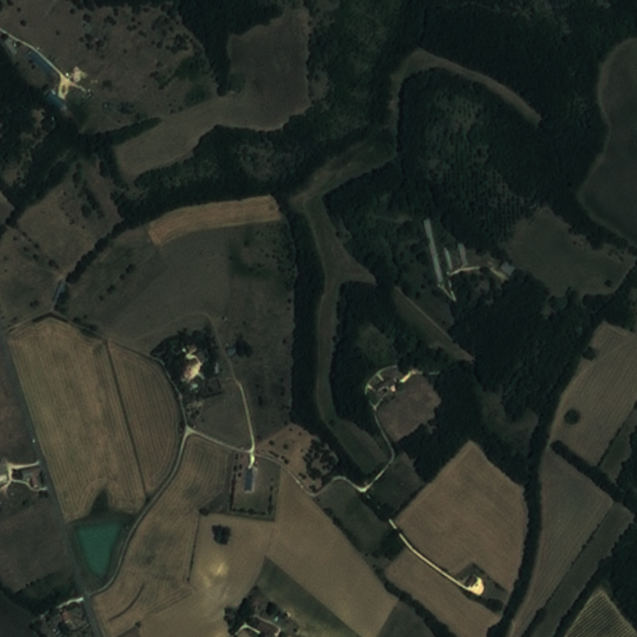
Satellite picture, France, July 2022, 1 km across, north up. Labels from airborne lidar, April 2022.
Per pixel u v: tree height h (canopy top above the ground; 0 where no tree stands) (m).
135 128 11
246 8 11
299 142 11
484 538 0
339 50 9
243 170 10
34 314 0
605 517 0
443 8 12
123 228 12
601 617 0
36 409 0
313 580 0
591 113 9
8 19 0
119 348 0
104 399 0
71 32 0
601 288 0
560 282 0
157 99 0
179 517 0
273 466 0
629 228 0
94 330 6
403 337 16
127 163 0
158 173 9
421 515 0
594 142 16
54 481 0
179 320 0
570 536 0
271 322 0
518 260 0
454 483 0
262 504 0
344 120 0
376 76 11
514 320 16
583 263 0
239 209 0
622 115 0
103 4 11
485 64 14
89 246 0
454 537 0
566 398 0
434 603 0
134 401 0
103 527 0
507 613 9
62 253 0
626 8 15
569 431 0
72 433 0
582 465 16
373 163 0
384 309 17
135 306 0
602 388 0
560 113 10
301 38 0
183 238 0
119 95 0
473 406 17
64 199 0
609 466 0
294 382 9
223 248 0
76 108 0
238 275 0
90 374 0
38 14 0
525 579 9
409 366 16
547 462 0
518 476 18
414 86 15
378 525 0
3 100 12
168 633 0
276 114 0
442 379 14
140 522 0
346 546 0
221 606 0
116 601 0
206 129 0
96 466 0
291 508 0
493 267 0
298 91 0
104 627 0
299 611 0
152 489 0
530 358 9
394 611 0
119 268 0
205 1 13
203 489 0
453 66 0
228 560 0
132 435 0
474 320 16
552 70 13
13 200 10
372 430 16
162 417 0
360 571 0
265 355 0
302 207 0
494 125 10
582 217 14
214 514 0
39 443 0
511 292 14
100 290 0
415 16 15
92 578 0
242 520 0
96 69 0
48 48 0
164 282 0
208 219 0
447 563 0
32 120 9
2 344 0
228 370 0
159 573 0
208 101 0
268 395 0
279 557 0
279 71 0
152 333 0
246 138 8
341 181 0
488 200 8
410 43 17
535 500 16
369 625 0
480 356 17
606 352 0
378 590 0
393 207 12
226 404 0
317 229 0
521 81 18
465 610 0
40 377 0
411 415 0
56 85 0
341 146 17
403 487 0
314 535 0
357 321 18
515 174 12
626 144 0
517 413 16
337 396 15
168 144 0
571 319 12
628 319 12
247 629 0
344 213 18
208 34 14
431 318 0
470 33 10
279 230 0
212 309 0
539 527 12
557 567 0
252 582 0
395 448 15
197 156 9
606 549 0
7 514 0
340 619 0
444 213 8
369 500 15
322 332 0
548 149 18
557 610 0
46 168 11
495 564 0
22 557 0
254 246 0
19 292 0
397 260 11
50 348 0
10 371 0
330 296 0
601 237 10
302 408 13
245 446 0
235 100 0
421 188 10
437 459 14
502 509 0
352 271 0
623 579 15
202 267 0
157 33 0
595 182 0
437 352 10
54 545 0
